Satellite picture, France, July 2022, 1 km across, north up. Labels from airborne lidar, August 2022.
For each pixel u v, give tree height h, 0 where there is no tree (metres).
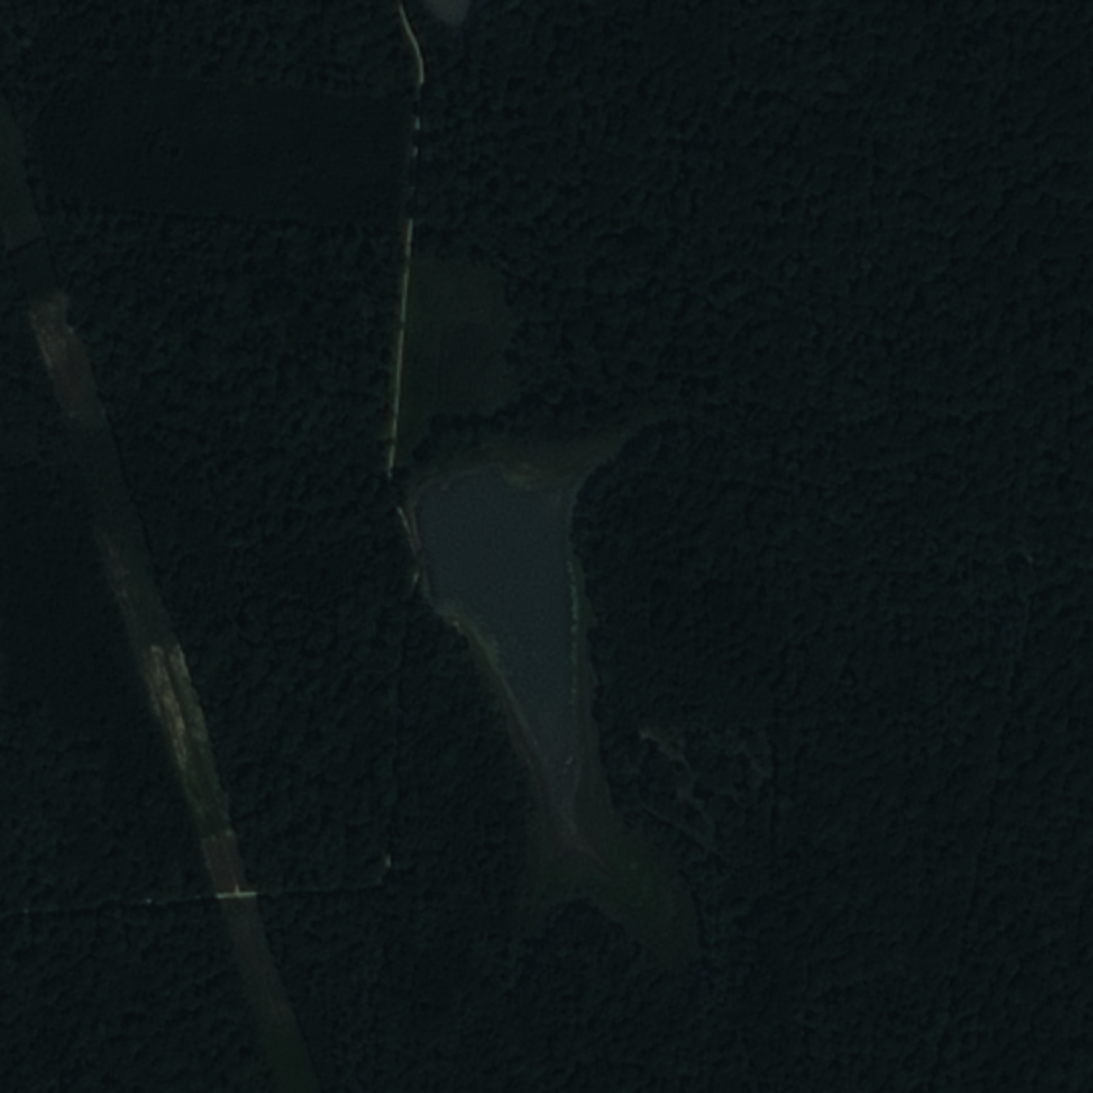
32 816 23
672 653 16
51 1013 25
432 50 18
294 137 7
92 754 24
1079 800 19
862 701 25
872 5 21
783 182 27
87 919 22
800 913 29
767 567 24
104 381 17
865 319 21
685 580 17
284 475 12
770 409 23
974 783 25
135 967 23
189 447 21
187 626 20
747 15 22
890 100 21
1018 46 19
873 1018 16
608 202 22
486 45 24
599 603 20
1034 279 25
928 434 26
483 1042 22
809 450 17
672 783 22
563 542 0
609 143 25
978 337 22
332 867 25
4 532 11
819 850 23
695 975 8
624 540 19
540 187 21
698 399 26
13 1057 16
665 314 26
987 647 28
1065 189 27
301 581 16
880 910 22
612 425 16
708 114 22
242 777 25
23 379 9
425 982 30
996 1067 25
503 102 7
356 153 7
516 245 24
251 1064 20
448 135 15
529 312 24
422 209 20
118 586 0
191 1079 25
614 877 0
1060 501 21
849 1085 30
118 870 27
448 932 22
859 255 23
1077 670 20
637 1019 28
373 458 17
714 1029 18
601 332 23
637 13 31
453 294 0
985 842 14
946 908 16
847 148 25
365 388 12
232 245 14
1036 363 26
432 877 17
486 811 22
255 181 7
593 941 24
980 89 27
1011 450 23
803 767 22
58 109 10
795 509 27
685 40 25
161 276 12
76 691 11
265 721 15
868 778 23
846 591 25
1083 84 26
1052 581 17
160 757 10
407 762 19
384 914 23
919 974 18
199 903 15
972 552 22
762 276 23
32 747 21
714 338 26
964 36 9
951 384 23
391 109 7
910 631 19
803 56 27
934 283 26
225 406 16
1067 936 23
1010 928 24
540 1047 19
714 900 19
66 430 19
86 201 19
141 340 13
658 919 0
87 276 19
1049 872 24
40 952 24
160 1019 20
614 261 8
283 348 10
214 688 17
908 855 23
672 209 21
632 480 21
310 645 12
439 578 0
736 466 26
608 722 21
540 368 21
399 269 15
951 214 24
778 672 20
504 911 24
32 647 8
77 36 16
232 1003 25
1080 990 24
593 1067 28
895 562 21
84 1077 30
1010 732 22
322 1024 17
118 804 13
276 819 24
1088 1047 27
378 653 26
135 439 20
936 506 24
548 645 0
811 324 24
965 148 24
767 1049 29
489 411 0
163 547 22
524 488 0
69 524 9
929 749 25
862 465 27
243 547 15
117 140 8
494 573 0
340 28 21
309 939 26
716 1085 25
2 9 17
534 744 0
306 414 20
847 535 26
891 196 26
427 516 0
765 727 19
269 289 27
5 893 22
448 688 20
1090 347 26
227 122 7
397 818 19
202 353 23
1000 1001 22
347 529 19
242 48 17
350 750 14
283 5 25
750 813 15
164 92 8
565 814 0
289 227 20
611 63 27
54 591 10
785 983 28
